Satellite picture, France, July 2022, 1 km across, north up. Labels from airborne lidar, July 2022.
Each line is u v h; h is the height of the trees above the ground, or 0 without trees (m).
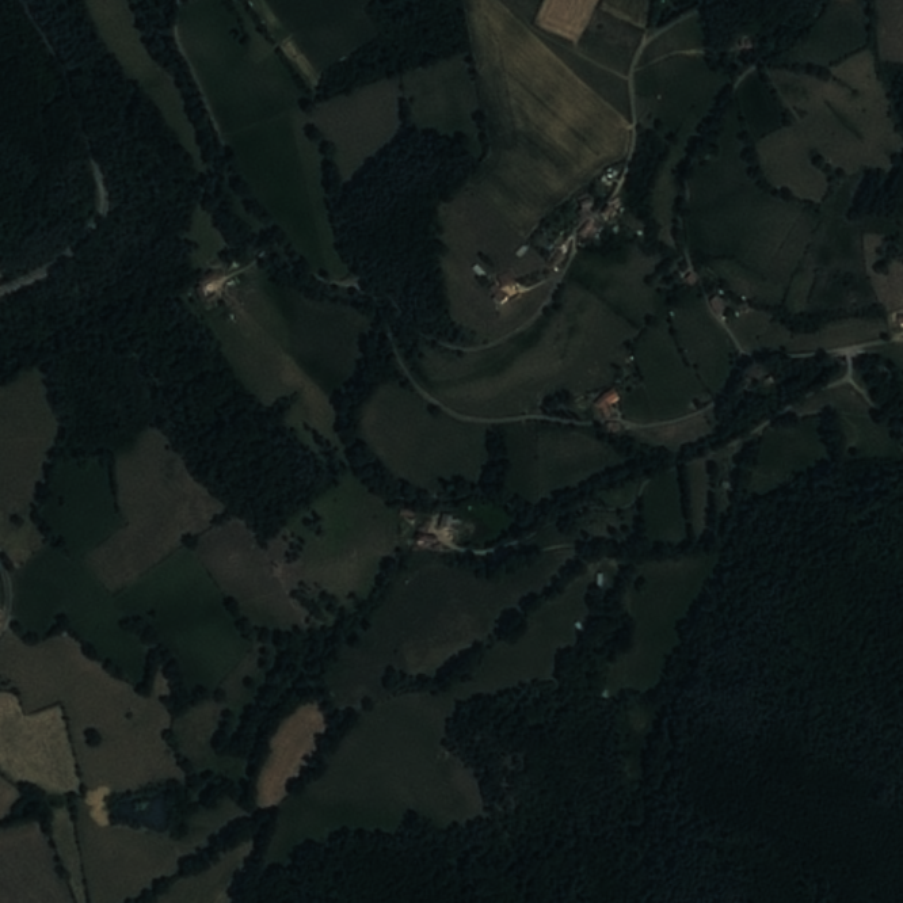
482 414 0
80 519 0
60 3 17
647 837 24
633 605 0
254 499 18
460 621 0
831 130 0
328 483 8
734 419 19
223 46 0
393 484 27
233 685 0
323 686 13
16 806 8
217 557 0
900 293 0
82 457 16
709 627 20
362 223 19
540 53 0
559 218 6
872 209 24
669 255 7
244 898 28
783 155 0
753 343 0
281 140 0
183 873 14
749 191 0
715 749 10
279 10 0
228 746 19
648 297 0
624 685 0
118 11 0
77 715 0
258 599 0
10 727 0
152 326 8
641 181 19
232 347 0
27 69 17
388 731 0
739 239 0
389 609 0
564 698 15
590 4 0
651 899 26
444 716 0
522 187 0
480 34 0
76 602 0
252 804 18
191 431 19
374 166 20
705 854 32
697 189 0
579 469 0
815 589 10
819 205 6
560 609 0
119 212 16
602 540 13
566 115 0
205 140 19
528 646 0
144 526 0
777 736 14
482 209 0
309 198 0
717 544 24
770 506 10
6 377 20
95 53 30
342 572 0
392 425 0
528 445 0
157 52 22
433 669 0
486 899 18
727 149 0
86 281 17
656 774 24
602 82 0
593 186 9
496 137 0
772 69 7
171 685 12
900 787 20
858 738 12
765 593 21
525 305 0
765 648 8
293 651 21
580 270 0
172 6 19
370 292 21
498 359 0
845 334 0
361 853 9
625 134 0
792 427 15
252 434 18
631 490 0
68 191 18
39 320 18
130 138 15
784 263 0
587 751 20
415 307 16
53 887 0
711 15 22
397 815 0
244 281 0
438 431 0
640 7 0
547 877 19
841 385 0
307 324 0
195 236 0
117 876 0
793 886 6
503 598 0
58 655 0
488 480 16
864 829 7
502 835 13
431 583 0
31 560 0
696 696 27
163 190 20
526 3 0
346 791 0
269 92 0
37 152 16
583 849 20
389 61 12
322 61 0
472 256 0
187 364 24
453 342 17
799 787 14
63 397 25
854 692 7
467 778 0
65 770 0
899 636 15
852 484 10
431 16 6
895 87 14
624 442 10
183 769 17
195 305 7
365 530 0
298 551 12
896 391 14
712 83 0
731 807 12
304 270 26
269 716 20
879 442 0
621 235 6
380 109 0
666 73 0
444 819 0
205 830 0
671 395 0
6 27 18
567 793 22
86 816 0
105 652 0
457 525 0
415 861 22
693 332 0
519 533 22
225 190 15
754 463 21
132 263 15
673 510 0
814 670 9
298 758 0
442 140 22
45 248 19
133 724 0
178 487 0
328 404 0
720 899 18
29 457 0
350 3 0
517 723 8
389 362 21
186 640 0
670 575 0
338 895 10
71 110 20
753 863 8
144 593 0
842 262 0
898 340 0
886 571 9
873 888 8
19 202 8
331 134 0
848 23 0
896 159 13
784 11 16
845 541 19
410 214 21
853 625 11
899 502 13
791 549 15
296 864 19
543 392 0
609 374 0
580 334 0
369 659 0
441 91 0
